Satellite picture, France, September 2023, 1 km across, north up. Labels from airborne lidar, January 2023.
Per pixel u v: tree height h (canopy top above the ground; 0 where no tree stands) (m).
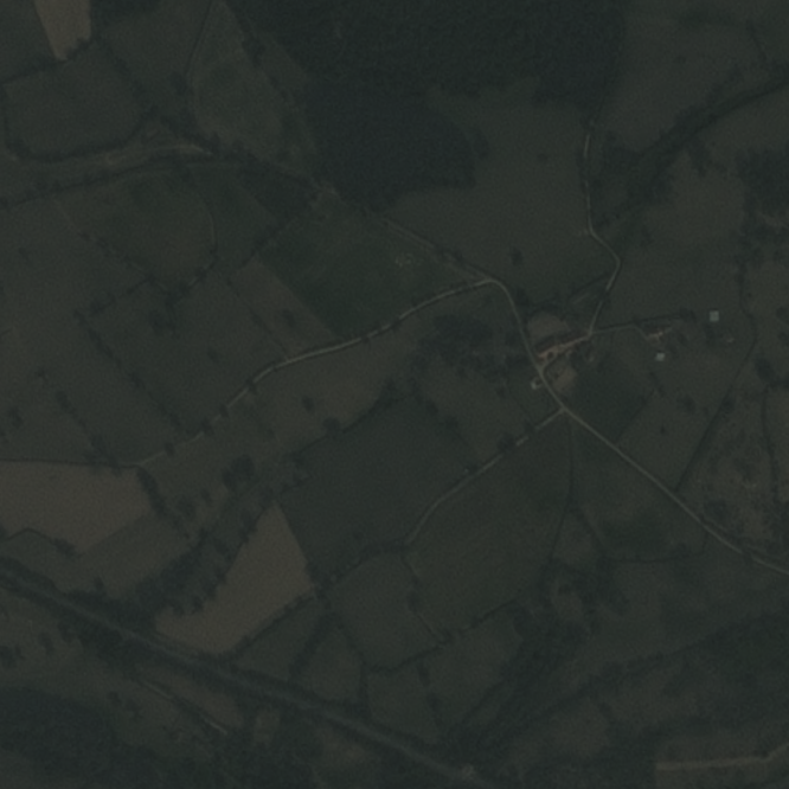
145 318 0
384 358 0
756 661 0
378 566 0
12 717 25
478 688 0
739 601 0
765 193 15
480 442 0
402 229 0
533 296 0
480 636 0
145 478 18
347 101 26
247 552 0
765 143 0
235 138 0
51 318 0
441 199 0
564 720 0
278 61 0
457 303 0
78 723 23
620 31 11
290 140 0
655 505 0
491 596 0
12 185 0
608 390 0
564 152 0
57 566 0
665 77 0
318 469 0
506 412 0
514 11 7
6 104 8
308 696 10
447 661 0
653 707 0
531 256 0
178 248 0
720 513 12
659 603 0
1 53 0
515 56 10
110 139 0
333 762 0
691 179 0
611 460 0
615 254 0
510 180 0
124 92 0
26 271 0
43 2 0
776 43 0
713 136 0
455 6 16
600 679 7
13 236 0
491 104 0
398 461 0
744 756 0
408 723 0
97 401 0
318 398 0
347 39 8
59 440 0
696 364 0
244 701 11
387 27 10
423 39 17
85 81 0
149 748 0
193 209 0
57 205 0
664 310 0
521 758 0
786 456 0
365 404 0
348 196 15
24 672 0
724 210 0
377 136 29
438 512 0
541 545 0
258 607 0
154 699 0
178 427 16
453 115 0
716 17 0
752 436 0
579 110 16
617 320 0
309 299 0
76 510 0
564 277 0
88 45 9
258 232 0
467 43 11
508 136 0
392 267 0
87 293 0
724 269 0
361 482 0
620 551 0
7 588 9
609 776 12
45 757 19
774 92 0
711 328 10
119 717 0
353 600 0
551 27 21
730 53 0
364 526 0
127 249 0
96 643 14
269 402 0
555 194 0
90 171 0
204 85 0
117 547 0
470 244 0
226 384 0
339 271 0
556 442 0
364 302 0
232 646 0
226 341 0
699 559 0
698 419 0
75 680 0
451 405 0
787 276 0
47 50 0
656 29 0
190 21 0
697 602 0
